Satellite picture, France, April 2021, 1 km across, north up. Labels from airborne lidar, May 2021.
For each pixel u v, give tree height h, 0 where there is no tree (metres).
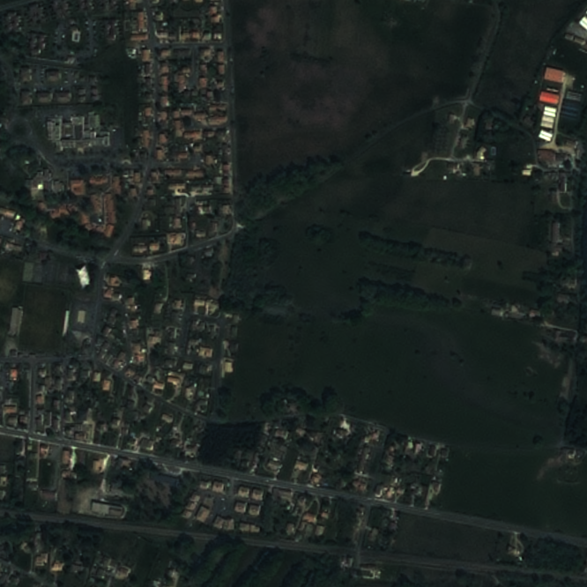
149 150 0
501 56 0
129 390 6
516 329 0
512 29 0
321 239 15
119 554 0
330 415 14
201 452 10
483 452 0
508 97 0
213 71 11
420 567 0
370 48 0
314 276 0
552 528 0
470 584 16
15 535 26
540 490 0
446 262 13
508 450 0
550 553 17
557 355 0
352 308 0
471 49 0
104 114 0
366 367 0
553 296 12
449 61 0
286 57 0
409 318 0
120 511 0
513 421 0
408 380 0
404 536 0
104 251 21
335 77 0
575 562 18
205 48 0
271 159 0
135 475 17
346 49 0
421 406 0
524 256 0
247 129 0
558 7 0
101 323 0
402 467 7
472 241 0
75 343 17
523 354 0
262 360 0
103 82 10
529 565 12
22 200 18
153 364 14
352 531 0
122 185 6
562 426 7
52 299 0
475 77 10
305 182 19
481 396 0
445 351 0
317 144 0
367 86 0
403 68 0
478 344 0
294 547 0
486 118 12
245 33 0
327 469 7
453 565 0
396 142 0
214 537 0
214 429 9
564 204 0
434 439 0
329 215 0
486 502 0
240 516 0
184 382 0
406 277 0
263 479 0
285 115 0
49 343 0
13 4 0
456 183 0
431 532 0
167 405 0
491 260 0
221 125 0
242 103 0
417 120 0
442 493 0
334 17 0
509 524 0
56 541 13
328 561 9
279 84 0
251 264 12
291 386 0
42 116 0
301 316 8
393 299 20
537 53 0
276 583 0
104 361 0
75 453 0
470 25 0
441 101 0
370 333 0
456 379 0
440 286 0
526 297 0
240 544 19
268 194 15
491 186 0
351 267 0
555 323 0
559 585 8
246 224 12
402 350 0
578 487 0
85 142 0
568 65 0
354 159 0
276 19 0
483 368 0
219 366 0
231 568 20
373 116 0
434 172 0
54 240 0
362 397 0
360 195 0
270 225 0
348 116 0
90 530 15
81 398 9
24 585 0
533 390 0
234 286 9
